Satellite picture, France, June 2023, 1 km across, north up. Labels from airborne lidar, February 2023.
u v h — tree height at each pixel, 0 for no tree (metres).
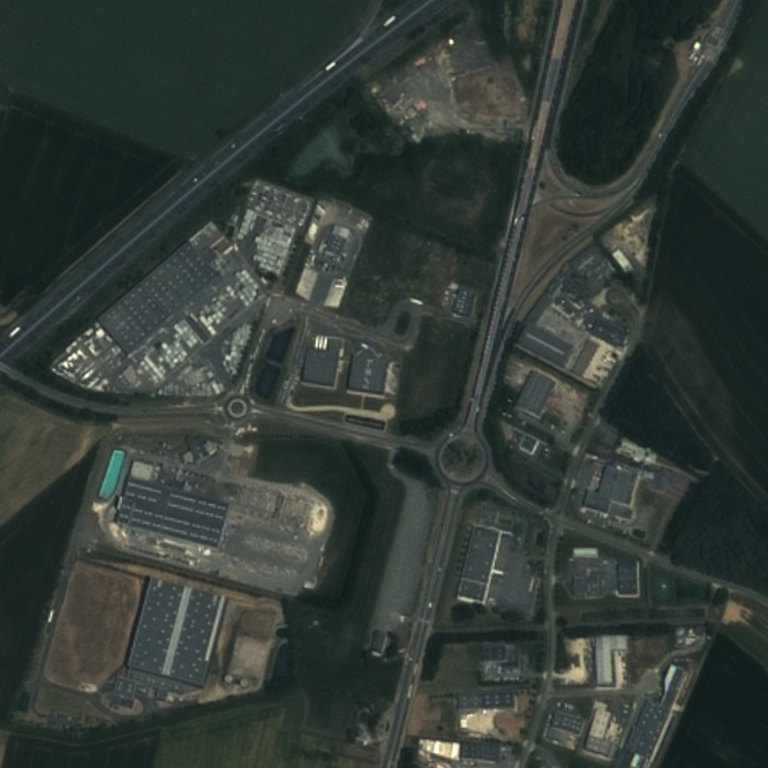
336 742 0
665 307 0
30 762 0
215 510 0
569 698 0
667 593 0
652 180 8
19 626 0
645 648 0
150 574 0
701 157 0
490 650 0
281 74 0
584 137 8
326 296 0
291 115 0
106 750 0
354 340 0
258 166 0
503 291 0
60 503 0
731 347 0
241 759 0
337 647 0
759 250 0
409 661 0
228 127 0
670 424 12
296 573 0
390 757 0
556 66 0
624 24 8
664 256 0
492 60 0
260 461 0
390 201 0
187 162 0
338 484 0
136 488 0
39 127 0
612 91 6
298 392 0
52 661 0
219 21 0
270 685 9
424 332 0
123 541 0
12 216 0
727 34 0
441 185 0
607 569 0
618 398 10
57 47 0
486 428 6
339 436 0
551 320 0
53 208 0
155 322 0
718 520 14
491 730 0
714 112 0
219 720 0
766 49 0
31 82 0
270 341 0
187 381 0
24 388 7
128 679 0
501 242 0
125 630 0
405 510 0
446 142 0
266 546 0
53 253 0
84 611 0
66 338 0
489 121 0
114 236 0
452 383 0
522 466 0
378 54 0
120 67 0
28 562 0
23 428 0
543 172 0
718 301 0
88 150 0
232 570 0
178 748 0
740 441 0
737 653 0
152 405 0
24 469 0
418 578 0
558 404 0
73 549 0
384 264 0
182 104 0
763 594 10
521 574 0
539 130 0
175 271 0
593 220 0
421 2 0
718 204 0
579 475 0
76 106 0
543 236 0
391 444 0
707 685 0
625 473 0
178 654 0
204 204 0
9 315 0
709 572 13
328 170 0
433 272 0
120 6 0
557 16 0
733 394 0
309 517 0
